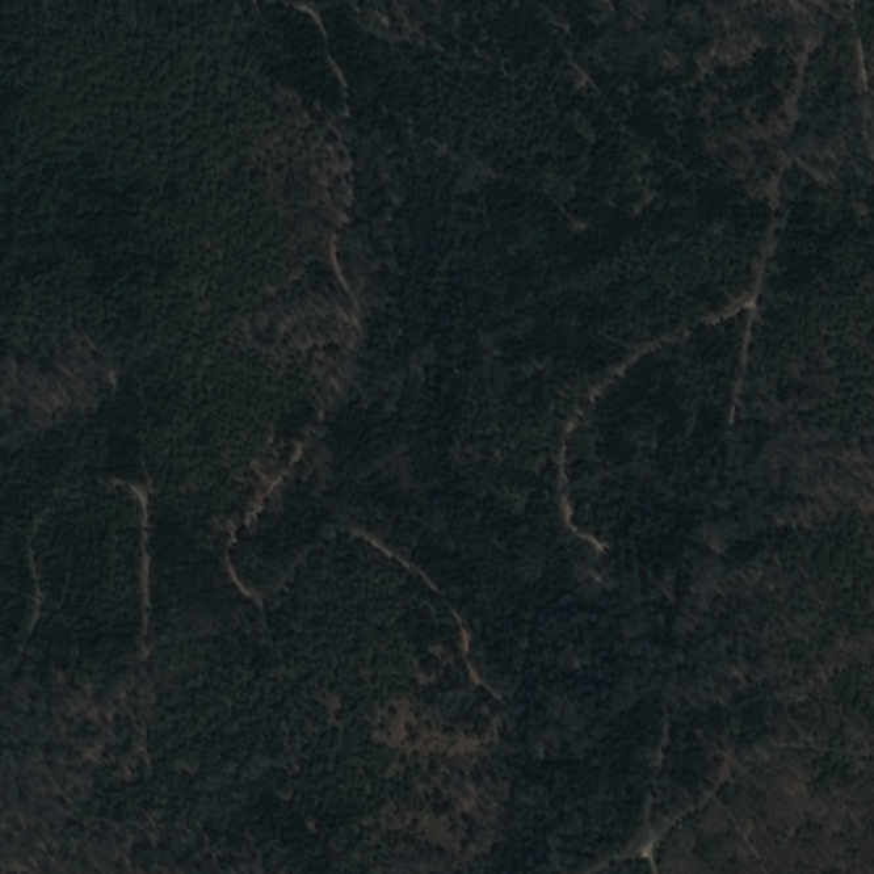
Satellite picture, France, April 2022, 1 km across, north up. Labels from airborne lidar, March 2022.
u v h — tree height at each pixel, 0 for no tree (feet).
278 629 61
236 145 39
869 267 26
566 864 96
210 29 51
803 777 31
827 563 37
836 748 36
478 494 31
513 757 100
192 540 37
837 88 41
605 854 39
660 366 38
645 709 45
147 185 43
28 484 43
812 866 38
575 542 83
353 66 80
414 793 40
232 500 37
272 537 45
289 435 41
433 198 90
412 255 42
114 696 92
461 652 40
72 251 43
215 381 44
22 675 47
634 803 39
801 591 33
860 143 89
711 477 41
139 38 30
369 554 23
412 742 34
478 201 48
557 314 39
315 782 33
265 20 42
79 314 53
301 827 50
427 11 40
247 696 40
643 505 57
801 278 38
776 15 90
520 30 36
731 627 37
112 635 38
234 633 31
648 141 31
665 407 35
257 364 26
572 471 50
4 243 41
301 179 36
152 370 29
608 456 42
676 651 73
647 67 46
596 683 47
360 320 94
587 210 62
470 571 66
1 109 39
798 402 27
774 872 37
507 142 46
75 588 36
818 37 80
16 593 32
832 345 43
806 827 25
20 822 93
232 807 28
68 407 83
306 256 29
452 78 31
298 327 104
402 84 87
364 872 40
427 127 77
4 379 92
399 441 62
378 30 36
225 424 46
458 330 76
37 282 57
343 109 52
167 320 47
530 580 106
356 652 31
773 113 27
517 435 31
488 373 78
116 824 47
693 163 38
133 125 44
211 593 42
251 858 28
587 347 49
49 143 56
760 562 67
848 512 93
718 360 38
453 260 100
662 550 39
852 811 31
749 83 34
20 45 37
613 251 40
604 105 30
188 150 50
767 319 31
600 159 55
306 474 48
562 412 51
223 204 49
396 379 106
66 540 38
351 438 48
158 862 90
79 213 49
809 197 64
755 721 41
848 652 24
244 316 95
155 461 35
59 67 37
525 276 48
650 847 0
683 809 84
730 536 110
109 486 51
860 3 92
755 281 31
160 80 43
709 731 38
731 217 31
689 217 49
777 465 97
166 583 30
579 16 27
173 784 41
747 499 96
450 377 42
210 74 47
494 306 40
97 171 38
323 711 28
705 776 42
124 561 24
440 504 111
